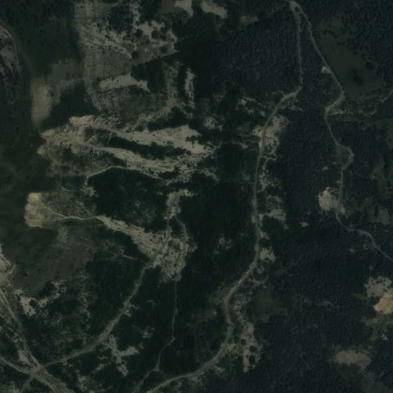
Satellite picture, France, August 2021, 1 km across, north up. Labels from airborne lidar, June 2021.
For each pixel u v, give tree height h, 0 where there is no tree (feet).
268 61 31
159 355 41
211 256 35
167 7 0
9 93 0
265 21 44
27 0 33
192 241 23
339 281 33
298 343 40
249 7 53
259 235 0
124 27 23
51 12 22
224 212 34
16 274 0
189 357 24
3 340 28
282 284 30
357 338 29
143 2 19
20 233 0
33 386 31
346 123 29
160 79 25
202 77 34
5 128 0
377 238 30
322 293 34
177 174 35
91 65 0
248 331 0
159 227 29
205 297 42
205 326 31
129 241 43
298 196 50
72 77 0
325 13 47
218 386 22
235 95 63
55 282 0
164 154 19
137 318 25
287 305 19
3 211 0
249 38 22
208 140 24
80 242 0
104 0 21
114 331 24
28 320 28
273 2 24
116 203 33
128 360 25
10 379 19
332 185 30
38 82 0
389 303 0
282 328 29
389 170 30
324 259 39
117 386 39
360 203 34
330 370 23
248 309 30
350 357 0
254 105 20
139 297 31
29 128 0
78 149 0
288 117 29
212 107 20
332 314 36
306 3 36
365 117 23
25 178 0
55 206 0
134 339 30
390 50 42
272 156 19
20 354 0
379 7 50
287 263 22
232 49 34
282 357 23
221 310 43
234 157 49
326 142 34
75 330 31
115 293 37
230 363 19
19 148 0
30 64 0
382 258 26
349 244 40
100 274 27
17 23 23
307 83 45
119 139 34
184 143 0
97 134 29
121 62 0
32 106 0
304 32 33
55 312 31
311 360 26
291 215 34
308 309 25
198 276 47
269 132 0
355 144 41
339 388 39
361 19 45
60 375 38
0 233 0
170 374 39
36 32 0
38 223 0
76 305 36
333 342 24
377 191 34
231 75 30
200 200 26
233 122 30
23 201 0
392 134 0
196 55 36
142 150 31
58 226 0
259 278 23
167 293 31
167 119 25
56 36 0
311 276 30
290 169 44
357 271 30
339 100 0
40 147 0
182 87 35
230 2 41
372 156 41
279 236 33
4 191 0
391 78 50
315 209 35
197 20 33
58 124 0
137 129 27
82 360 25
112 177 29
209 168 18
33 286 0
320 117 35
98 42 0
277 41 30
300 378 29
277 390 48
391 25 73
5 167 0
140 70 20
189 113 29
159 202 35
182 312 30
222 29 34
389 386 18
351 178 21
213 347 28
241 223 47
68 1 24
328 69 0
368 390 0
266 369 22
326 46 0
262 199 25
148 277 39
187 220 26
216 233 33
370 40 49
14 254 0
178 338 39
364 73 0
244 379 26
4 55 0
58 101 0
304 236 44
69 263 0
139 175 40
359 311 33
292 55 29
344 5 61
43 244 0
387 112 35
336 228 55
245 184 33
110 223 0
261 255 0
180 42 22
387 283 0
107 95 0
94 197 40
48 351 20
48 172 0
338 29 0
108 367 24
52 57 0
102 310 33
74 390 26
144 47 0
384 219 0
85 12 0
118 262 27
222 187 37
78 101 0
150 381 50
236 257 42
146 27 0
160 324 30
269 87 40
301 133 35
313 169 43
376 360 41
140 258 25
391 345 27
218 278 45
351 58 0
